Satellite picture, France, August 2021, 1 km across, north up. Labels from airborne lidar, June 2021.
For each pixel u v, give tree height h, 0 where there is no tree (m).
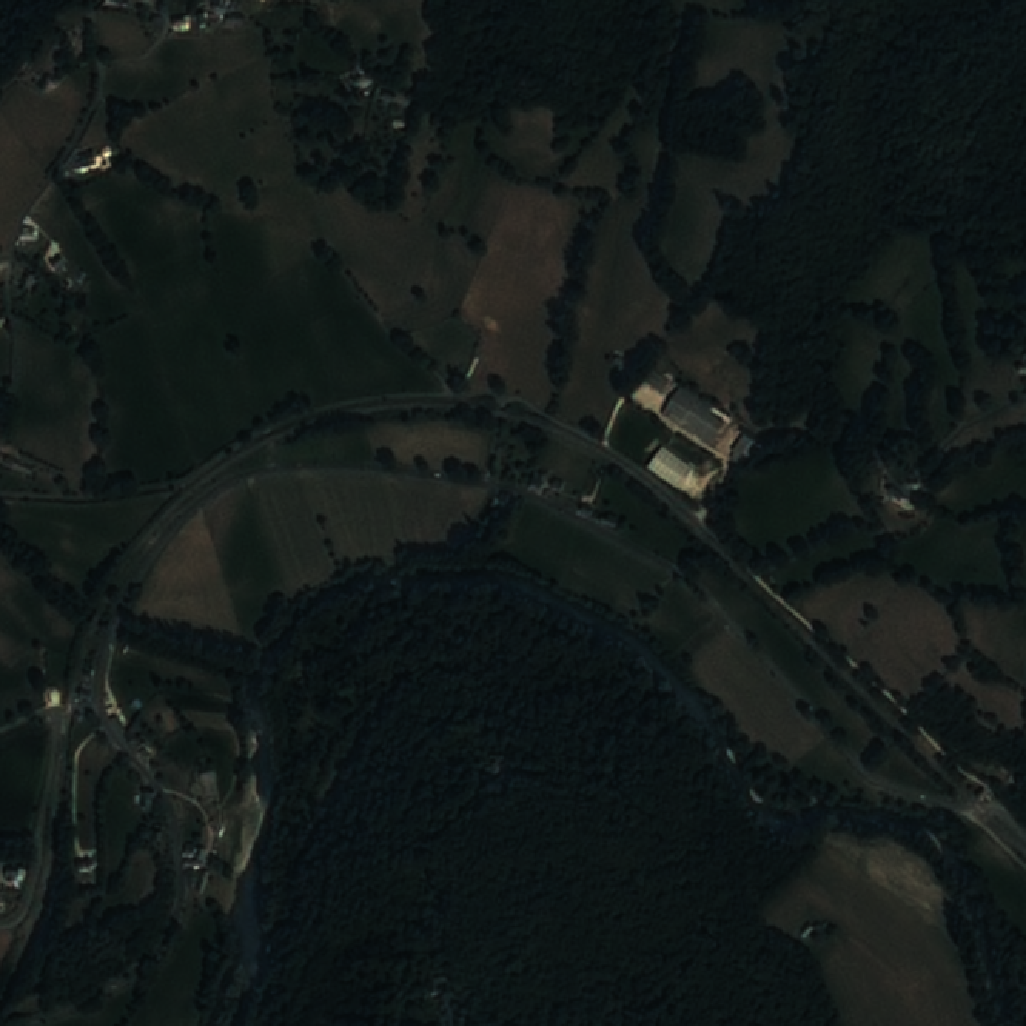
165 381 0
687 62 21
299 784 12
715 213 0
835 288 26
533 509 0
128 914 15
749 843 20
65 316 9
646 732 28
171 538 0
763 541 0
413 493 0
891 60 24
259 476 0
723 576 17
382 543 0
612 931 22
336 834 26
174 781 0
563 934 16
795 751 0
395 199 24
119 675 0
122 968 14
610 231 0
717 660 0
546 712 23
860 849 7
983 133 18
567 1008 17
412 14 0
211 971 15
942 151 15
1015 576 23
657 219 15
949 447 0
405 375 0
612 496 0
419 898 13
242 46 0
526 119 0
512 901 20
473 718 17
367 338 0
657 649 8
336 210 0
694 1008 26
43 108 0
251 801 0
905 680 0
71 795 8
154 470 0
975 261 22
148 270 0
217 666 14
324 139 10
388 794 20
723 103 21
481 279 0
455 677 21
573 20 23
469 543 29
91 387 0
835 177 21
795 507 0
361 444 0
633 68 14
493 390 14
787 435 17
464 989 9
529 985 20
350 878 26
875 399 13
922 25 22
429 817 23
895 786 0
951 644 0
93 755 0
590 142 8
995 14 22
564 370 25
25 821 0
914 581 14
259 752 0
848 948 0
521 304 0
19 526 0
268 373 0
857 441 31
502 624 28
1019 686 8
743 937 25
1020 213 19
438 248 0
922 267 0
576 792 18
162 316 0
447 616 12
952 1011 0
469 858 14
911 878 11
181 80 0
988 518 12
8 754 0
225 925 17
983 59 20
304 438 16
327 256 23
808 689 0
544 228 0
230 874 12
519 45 13
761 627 0
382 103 6
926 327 0
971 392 0
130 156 10
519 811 18
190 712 0
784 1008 25
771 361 18
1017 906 0
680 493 10
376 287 0
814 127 19
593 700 20
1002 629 0
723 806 19
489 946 15
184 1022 0
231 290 0
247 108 0
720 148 21
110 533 0
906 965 0
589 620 0
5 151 0
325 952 27
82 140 0
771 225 23
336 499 0
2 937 0
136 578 0
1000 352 16
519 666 28
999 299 26
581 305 24
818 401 29
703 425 0
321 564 0
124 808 0
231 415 0
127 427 0
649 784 16
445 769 20
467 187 0
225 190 0
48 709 0
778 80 0
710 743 16
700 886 18
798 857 17
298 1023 19
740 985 22
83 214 12
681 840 19
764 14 25
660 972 20
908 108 22
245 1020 23
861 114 20
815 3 23
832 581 18
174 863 13
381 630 26
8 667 0
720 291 13
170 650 19
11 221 0
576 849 20
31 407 0
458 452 0
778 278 19
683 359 0
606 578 0
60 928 16
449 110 20
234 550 0
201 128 0
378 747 17
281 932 23
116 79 0
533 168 0
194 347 0
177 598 0
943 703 14
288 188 0
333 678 16
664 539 0
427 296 13
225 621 0
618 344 0
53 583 15
